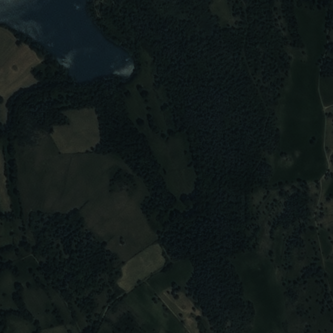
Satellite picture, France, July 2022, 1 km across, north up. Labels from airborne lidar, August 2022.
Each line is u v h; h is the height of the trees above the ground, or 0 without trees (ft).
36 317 0
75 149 0
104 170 0
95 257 44
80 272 58
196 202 79
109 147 59
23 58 0
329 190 0
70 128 0
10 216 76
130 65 0
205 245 72
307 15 0
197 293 60
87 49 0
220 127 36
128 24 65
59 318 33
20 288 65
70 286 39
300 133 0
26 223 0
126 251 0
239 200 24
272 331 0
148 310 0
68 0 0
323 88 0
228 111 44
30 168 0
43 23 0
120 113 60
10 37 0
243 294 49
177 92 52
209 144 27
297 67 0
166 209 43
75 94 54
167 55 56
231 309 40
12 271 78
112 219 0
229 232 71
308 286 0
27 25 0
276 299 0
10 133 94
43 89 64
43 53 32
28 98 45
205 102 55
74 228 22
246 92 28
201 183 54
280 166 0
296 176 0
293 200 53
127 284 0
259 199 0
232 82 34
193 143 35
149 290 0
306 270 31
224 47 33
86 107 30
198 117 47
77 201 0
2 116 0
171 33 70
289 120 0
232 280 42
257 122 23
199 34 31
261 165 25
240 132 34
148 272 0
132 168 61
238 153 59
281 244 0
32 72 22
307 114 0
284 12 45
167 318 0
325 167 0
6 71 0
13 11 0
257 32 34
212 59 33
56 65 50
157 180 66
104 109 37
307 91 0
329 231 33
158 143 0
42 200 0
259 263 0
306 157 0
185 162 0
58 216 50
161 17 21
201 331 33
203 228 60
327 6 60
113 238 0
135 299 0
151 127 65
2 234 0
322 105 0
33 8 0
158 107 0
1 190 0
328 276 50
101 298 0
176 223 29
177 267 0
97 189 0
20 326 0
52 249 39
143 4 28
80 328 0
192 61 27
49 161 0
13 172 69
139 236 0
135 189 0
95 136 0
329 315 0
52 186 0
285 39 36
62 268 41
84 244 22
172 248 65
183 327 0
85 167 0
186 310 0
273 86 49
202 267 31
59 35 0
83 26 0
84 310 48
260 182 45
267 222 0
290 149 0
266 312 0
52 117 52
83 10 0
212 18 30
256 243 33
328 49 52
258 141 36
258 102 26
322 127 0
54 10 0
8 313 49
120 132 69
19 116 32
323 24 0
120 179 26
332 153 0
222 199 40
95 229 0
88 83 34
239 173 39
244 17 49
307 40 0
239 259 0
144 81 0
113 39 56
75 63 0
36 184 0
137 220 0
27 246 64
